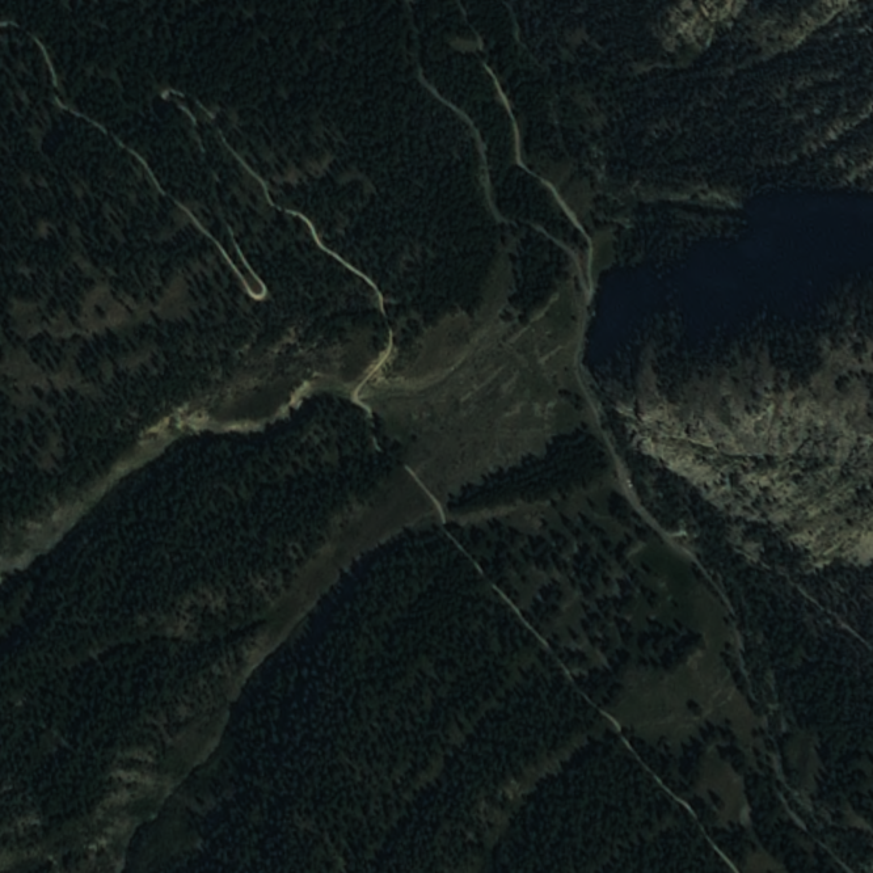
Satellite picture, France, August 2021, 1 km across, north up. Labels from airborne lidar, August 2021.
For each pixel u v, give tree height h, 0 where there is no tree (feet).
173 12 56
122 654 57
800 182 57
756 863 0
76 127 68
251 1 88
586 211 0
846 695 68
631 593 77
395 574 69
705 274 28
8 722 40
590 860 64
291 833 52
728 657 31
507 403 0
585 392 0
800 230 26
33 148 83
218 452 49
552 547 41
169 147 92
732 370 41
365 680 20
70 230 93
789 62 39
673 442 0
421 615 42
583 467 64
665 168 21
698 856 40
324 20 64
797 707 21
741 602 35
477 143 36
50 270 77
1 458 50
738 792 0
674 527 24
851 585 33
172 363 79
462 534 52
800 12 24
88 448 80
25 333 0
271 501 52
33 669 60
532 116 52
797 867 107
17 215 90
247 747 37
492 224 74
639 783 27
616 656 46
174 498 55
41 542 0
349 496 33
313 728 51
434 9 83
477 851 92
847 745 49
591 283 0
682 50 21
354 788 47
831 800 43
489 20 64
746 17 0
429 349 0
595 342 0
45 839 24
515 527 0
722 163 50
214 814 0
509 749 37
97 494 0
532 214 60
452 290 54
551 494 61
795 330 45
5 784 27
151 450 0
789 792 27
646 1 26
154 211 80
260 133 95
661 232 33
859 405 0
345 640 53
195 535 19
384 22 80
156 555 74
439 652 24
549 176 0
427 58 58
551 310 0
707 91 38
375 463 77
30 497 20
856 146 25
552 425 0
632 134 43
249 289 0
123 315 0
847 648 52
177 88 75
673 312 26
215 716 25
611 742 56
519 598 52
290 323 40
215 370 34
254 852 75
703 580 63
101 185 62
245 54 89
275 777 61
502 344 0
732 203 0
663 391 37
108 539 44
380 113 60
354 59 67
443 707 73
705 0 19
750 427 0
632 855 53
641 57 41
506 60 60
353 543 0
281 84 85
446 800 44
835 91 20
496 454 0
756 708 74
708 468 0
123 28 81
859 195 26
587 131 54
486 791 50
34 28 48
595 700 98
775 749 47
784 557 31
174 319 0
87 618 51
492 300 0
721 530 36
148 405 63
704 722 0
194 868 29
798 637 81
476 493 46
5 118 77
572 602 0
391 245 65
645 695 0
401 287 48
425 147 83
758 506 24
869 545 0
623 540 0
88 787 54
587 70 30
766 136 27
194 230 0
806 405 0
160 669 49
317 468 84
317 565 0
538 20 45
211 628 38
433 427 0
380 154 66
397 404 0
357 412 59
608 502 0
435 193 73
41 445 85
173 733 54
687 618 0
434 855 42
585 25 52
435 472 0
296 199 89
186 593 46
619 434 29
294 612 0
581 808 65
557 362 0
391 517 0
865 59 19
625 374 44
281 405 0
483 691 32
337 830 34
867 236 23
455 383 0
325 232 21
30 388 0
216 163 71
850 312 30
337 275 34
